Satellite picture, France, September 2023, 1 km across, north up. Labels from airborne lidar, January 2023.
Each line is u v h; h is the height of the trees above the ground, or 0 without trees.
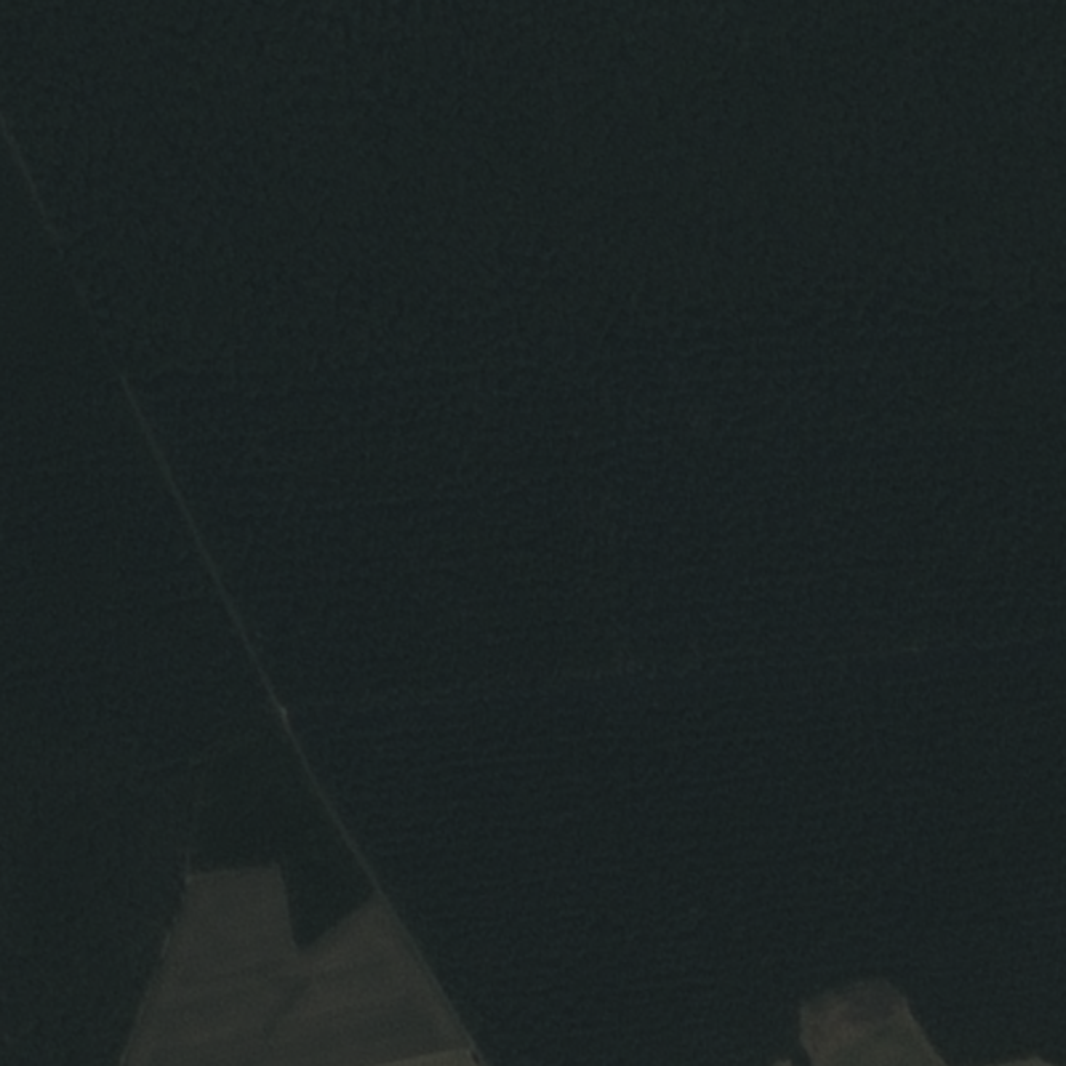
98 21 24
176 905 16
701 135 26
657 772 25
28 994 18
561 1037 19
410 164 28
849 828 19
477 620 20
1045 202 27
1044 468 17
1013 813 23
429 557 18
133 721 20
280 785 9
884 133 27
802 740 21
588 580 27
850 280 21
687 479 27
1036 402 16
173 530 20
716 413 10
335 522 23
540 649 18
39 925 19
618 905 21
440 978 11
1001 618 25
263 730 11
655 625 22
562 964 17
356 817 20
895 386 17
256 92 26
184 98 28
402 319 16
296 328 25
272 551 20
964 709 19
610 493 23
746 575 22
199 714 20
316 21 27
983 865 18
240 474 7
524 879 17
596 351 18
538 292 11
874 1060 0
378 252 29
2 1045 21
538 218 23
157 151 24
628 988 17
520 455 17
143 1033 0
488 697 24
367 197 28
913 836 19
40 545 19
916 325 18
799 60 27
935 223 28
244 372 21
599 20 28
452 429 17
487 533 18
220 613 14
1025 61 27
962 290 21
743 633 24
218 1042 0
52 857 17
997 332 22
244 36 29
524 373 18
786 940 22
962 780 19
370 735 16
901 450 20
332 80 30
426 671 14
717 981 17
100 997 16
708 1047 22
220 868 10
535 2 29
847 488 22
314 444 19
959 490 25
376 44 29
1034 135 28
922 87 24
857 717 20
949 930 24
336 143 29
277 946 0
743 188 27
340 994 0
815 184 23
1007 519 19
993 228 25
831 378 24
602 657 18
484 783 19
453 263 24
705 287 23
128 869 19
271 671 18
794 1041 15
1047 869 23
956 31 28
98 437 24
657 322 14
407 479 19
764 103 26
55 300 15
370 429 16
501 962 20
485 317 12
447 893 20
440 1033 0
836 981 19
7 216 16
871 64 25
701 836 22
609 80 28
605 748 14
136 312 26
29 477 18
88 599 18
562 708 18
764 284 21
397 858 19
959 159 25
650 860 13
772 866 20
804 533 22
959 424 16
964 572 17
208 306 26
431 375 15
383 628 23
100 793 20
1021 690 20
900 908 19
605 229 26
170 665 25
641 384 25
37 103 23
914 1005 12
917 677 15
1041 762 18
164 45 13
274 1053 0
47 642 23
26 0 26
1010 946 23
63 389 18
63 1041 19
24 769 20
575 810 23
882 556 16
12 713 21
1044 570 19
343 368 23
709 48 29
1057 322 18
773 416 22
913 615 26
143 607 18
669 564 23
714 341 18
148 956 14
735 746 17
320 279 26
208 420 24
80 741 17
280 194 29
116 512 22
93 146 23
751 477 24
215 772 9
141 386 26
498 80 29
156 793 21
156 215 28
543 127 29
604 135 28
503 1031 20
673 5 24
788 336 19
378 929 0
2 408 23
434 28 28
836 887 26
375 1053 0
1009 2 30
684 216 26
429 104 30
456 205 27
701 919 17
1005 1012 22
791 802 24
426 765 13
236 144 26
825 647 27
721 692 22
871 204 23
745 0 25
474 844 17
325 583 20
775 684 26
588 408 21
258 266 24
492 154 27
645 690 23
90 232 23
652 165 25
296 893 7
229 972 0
